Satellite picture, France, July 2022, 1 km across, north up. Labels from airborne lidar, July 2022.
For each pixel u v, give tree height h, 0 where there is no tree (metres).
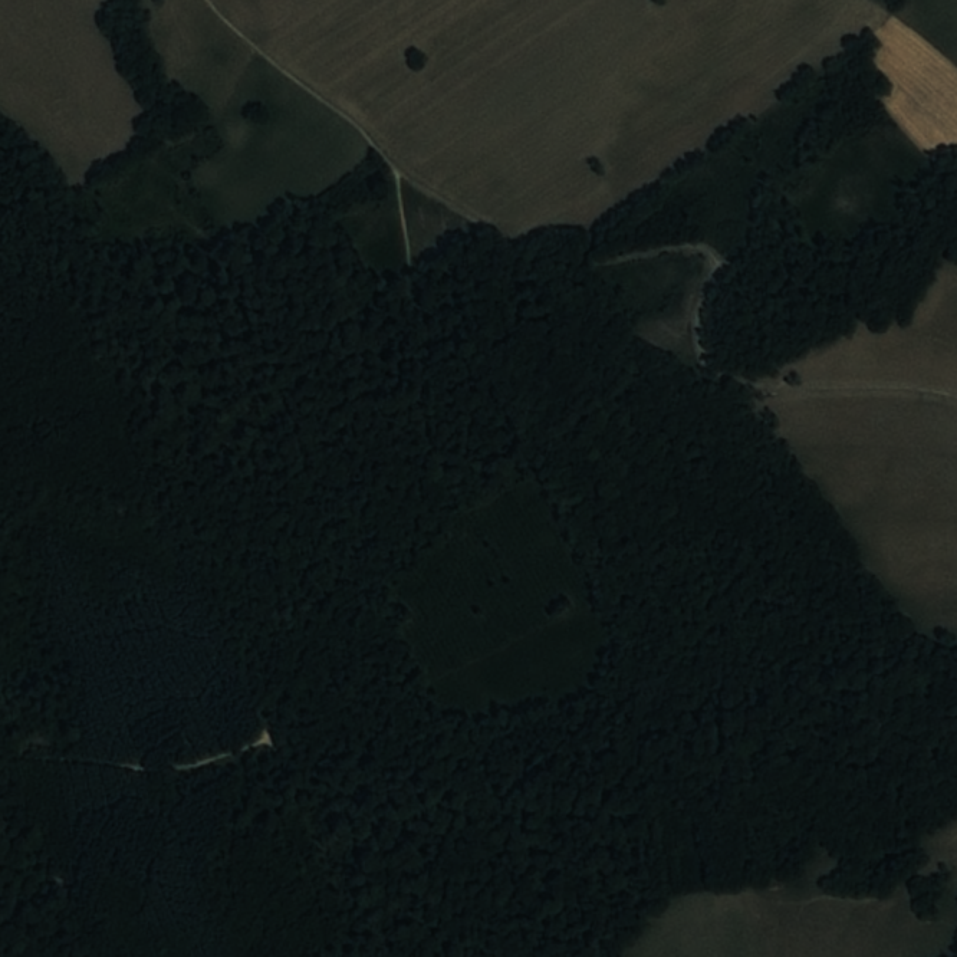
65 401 14
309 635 18
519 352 24
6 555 12
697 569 24
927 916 14
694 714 7
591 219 0
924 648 24
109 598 11
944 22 0
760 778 24
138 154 19
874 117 14
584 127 0
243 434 24
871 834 23
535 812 25
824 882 11
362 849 8
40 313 16
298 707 20
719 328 15
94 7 0
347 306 28
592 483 21
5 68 0
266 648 19
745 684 20
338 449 18
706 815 19
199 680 18
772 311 26
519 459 24
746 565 20
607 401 26
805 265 25
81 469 20
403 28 0
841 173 0
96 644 19
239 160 0
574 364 18
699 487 18
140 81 18
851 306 20
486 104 0
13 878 28
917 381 0
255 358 26
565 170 0
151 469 10
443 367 22
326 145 0
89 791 16
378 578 23
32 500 22
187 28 0
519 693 0
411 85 0
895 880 19
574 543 20
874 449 0
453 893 20
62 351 15
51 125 0
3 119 10
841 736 22
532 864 25
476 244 26
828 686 26
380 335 30
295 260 24
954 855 0
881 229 16
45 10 0
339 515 24
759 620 19
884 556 0
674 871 8
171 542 9
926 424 0
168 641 20
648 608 23
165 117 23
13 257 20
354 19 0
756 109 0
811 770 26
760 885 13
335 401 14
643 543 21
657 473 18
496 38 0
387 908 22
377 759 24
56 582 20
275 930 7
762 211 20
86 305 24
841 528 16
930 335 0
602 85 0
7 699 17
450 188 0
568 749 22
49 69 0
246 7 0
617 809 21
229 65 0
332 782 30
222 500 18
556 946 28
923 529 0
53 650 25
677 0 0
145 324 23
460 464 20
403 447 19
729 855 19
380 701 18
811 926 0
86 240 25
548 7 0
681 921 0
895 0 14
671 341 0
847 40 13
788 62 0
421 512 23
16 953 25
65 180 18
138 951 12
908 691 30
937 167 20
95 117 0
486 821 19
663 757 24
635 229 9
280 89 0
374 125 0
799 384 9
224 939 9
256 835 18
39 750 12
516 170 0
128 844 25
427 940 25
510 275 25
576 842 20
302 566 20
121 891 12
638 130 0
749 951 0
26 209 27
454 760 22
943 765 20
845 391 0
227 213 0
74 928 18
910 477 0
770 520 26
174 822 23
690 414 22
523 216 0
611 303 16
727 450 20
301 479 20
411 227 0
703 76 0
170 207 0
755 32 0
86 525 17
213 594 18
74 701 15
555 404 20
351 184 6
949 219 19
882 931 0
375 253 0
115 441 18
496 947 22
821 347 14
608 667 16
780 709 27
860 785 26
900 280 19
